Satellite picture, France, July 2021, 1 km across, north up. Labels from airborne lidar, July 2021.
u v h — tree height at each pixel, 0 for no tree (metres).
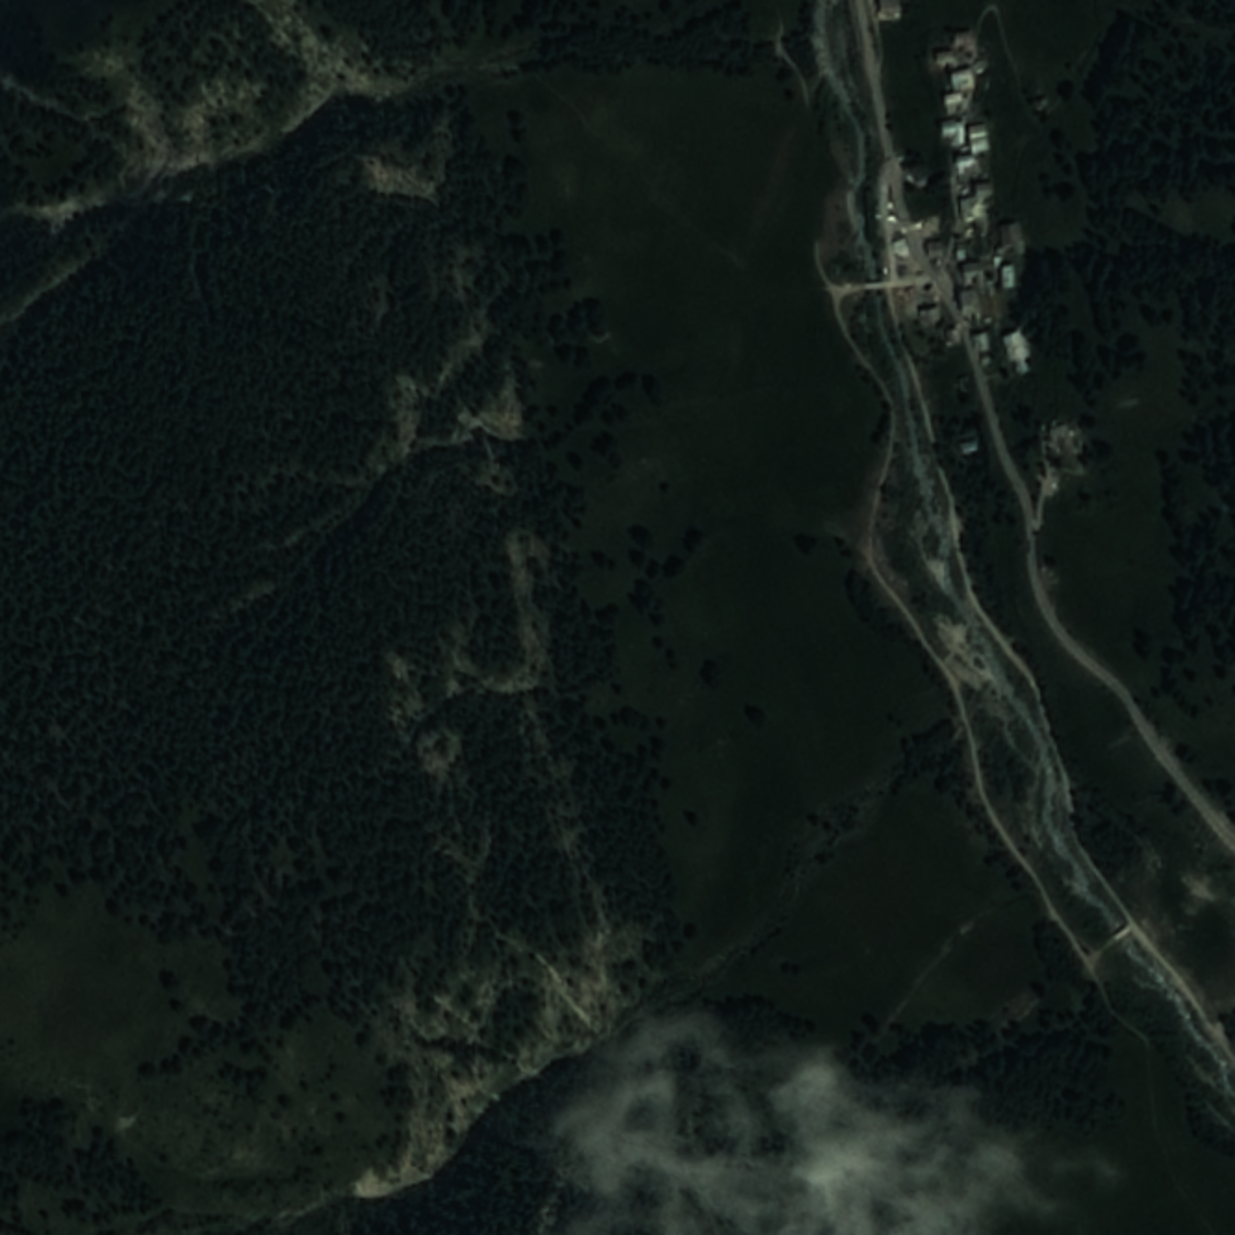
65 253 15
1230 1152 14
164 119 6
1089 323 0
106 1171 23
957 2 0
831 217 0
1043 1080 22
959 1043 22
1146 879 0
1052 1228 0
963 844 0
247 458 24
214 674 11
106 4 0
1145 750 0
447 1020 12
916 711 0
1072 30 0
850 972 0
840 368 0
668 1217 15
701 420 0
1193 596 13
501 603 12
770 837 0
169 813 28
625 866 24
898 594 0
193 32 19
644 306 0
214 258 25
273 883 15
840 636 0
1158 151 16
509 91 0
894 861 0
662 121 0
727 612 0
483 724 8
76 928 0
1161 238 24
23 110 23
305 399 12
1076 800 10
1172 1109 0
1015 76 0
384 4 24
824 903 0
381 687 16
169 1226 6
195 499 23
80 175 17
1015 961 0
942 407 0
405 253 23
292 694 16
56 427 17
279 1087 0
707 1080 24
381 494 16
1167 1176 0
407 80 6
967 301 0
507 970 11
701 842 0
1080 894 0
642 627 0
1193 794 0
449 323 16
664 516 0
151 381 24
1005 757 6
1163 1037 10
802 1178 15
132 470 21
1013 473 0
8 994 0
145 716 30
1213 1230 0
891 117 7
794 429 0
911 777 9
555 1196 26
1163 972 0
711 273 0
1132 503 0
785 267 0
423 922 19
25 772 9
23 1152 15
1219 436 20
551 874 26
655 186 0
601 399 18
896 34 0
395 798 17
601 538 0
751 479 0
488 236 28
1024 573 0
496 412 0
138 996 0
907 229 0
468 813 15
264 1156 0
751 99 0
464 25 22
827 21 0
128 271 21
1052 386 0
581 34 15
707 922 0
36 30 12
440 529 19
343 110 9
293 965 19
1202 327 23
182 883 13
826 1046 0
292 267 19
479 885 11
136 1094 0
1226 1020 11
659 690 0
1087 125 0
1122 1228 0
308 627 19
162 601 15
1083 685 0
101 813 7
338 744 19
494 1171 7
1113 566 0
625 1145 14
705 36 15
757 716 21
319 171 14
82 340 20
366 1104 0
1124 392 0
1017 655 11
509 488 14
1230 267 28
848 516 0
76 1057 0
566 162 0
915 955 0
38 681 26
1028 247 0
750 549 0
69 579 13
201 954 0
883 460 0
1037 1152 0
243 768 14
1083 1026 8
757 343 0
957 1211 26
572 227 0
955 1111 32
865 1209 12
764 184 0
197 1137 0
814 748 0
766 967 0
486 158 24
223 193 11
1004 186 0
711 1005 15
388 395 14
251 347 22
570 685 19
